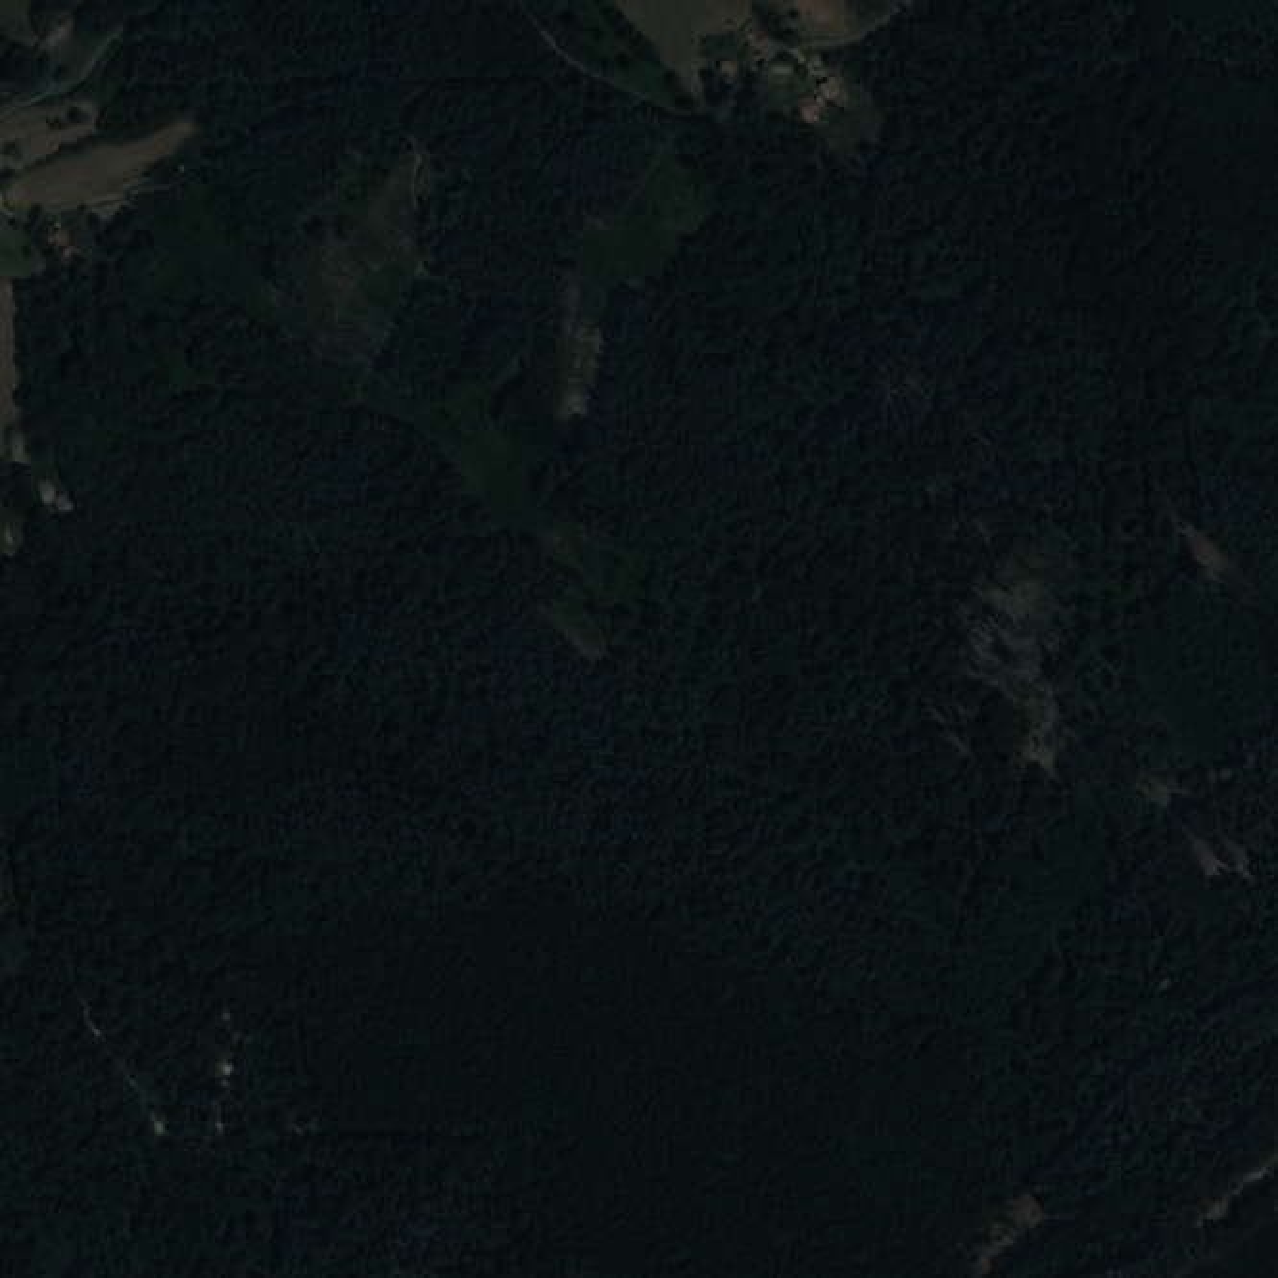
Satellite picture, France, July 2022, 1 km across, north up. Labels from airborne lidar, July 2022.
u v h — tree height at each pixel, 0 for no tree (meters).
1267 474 29
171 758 20
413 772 13
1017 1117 19
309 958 19
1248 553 38
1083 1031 19
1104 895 10
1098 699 28
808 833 20
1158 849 26
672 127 27
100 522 19
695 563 23
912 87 14
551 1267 18
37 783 16
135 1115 19
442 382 14
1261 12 22
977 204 19
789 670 29
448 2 27
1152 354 22
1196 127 27
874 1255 19
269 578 13
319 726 9
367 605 23
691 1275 19
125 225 21
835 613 22
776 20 8
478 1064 23
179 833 29
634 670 12
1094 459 13
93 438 19
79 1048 13
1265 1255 9
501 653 21
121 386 21
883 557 23
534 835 19
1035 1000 14
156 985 22
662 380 24
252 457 24
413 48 30
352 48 16
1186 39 26
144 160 0
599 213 21
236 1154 20
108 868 25
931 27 16
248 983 21
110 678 24
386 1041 20
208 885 20
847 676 20
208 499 24
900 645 20
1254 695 24
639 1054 19
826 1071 16
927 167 21
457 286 21
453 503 33
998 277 11
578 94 17
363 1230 28
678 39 0
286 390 17
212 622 18
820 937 22
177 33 21
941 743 27
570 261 22
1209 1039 25
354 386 16
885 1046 21
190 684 20
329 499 24
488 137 25
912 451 25
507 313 37
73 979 12
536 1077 19
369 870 28
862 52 6
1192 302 31
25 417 7
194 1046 22
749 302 22
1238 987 12
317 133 27
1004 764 23
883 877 13
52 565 22
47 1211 24
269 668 21
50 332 21
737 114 15
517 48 17
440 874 19
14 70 23
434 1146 24
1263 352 14
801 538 21
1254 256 26
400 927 22
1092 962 28
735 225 17
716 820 27
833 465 26
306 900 23
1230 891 23
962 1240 20
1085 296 18
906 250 16
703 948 17
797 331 21
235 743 22
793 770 12
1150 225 27
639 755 23
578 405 0
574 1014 19
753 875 21
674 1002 21
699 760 21
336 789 26
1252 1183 0
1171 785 19
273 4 16
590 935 15
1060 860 8
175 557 19
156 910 18
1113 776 24
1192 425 26
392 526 34
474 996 24
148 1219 20
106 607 16
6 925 10
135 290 12
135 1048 17
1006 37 14
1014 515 26
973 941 25
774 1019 20
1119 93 19
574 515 15
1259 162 27
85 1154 10
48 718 16
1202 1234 23
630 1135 22
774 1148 18
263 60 20
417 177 0
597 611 20
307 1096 20
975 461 24
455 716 20
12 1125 20
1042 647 0
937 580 25
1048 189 20
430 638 25
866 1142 14
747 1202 21
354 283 0
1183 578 21
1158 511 25
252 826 22
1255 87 25
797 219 15
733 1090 17
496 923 22
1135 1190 23
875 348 27
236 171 19
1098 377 16
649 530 29
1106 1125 35
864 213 22
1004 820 17
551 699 23
